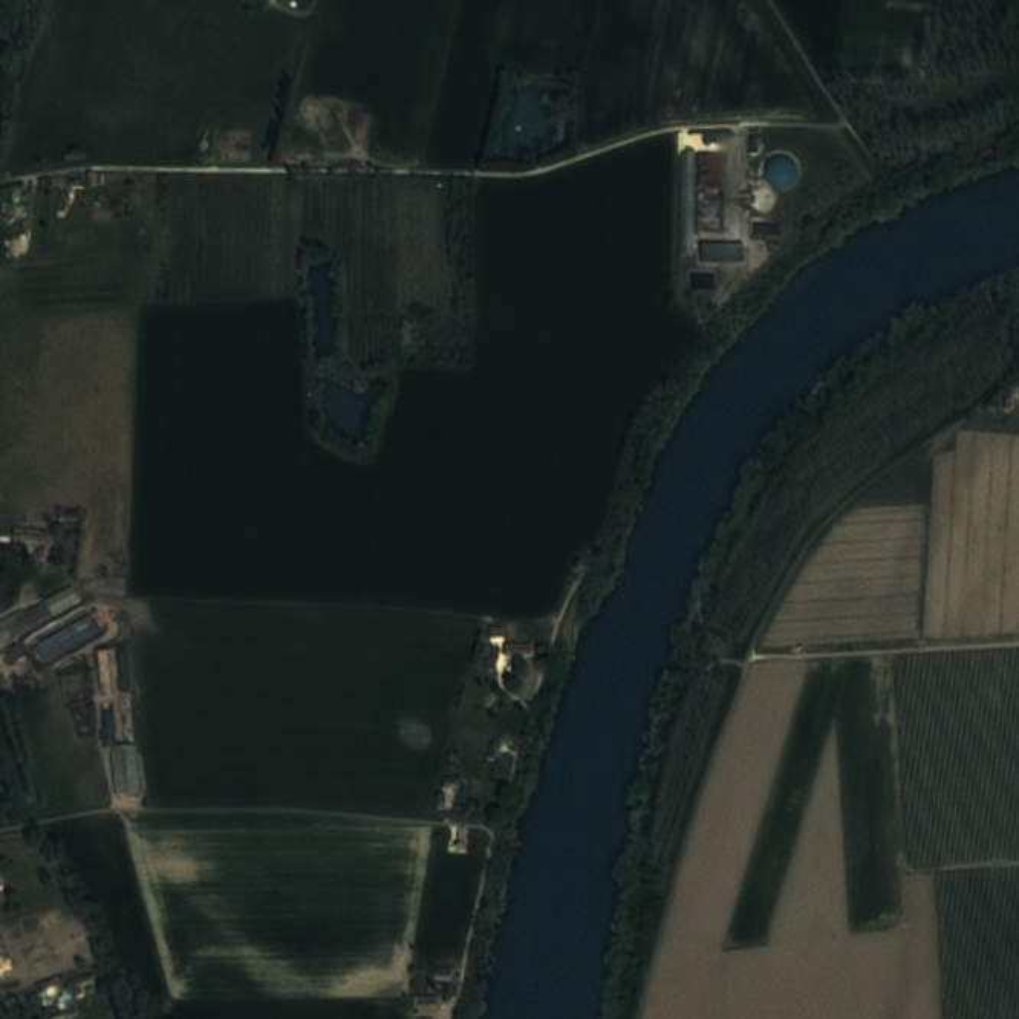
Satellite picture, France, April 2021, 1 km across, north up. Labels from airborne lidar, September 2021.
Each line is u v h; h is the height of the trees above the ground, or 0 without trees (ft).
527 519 0
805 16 0
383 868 0
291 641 0
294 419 0
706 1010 0
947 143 104
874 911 0
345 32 0
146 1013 72
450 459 0
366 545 0
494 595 0
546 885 0
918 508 0
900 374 73
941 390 72
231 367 0
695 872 0
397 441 0
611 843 0
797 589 0
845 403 38
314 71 0
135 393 0
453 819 35
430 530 0
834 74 0
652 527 0
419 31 0
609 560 36
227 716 0
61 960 0
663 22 0
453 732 0
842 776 0
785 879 0
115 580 0
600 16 0
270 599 0
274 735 0
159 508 0
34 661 0
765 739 0
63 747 0
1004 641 0
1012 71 107
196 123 0
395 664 0
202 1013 0
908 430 83
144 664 0
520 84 32
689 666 54
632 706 0
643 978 33
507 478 0
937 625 0
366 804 0
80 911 56
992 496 0
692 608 27
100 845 0
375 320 18
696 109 0
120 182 0
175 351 0
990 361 79
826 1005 0
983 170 37
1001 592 0
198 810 0
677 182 0
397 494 0
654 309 0
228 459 0
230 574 0
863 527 0
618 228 0
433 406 0
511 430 0
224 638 0
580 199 0
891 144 113
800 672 0
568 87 46
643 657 0
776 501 68
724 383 0
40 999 35
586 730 0
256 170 0
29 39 98
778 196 0
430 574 0
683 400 52
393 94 0
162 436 0
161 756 0
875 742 0
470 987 57
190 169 0
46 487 0
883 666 0
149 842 0
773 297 26
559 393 0
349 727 0
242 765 0
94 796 0
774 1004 0
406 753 0
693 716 74
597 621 0
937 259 0
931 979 0
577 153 50
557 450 0
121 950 0
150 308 0
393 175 22
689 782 81
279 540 0
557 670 77
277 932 0
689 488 0
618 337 0
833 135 0
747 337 0
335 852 0
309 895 0
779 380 0
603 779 0
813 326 0
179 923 0
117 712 0
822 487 69
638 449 71
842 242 37
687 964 0
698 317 33
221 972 0
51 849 52
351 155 0
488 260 0
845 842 0
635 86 0
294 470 0
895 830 0
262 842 0
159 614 0
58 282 0
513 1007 0
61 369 0
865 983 0
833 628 0
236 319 0
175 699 0
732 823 0
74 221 0
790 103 0
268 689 0
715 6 0
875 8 0
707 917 0
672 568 0
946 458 0
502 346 0
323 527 0
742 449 0
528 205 0
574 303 0
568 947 0
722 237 0
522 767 29
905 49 0
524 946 0
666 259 0
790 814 0
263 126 0
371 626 0
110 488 0
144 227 0
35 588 0
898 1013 0
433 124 0
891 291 0
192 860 0
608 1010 50
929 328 41
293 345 0
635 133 0
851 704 0
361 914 0
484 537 0
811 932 0
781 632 0
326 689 0
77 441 0
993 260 0
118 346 0
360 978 0
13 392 0
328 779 0
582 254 0
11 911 36
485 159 41
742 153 0
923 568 0
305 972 0
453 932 0
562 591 0
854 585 0
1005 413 21
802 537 72
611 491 0
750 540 72
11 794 50
